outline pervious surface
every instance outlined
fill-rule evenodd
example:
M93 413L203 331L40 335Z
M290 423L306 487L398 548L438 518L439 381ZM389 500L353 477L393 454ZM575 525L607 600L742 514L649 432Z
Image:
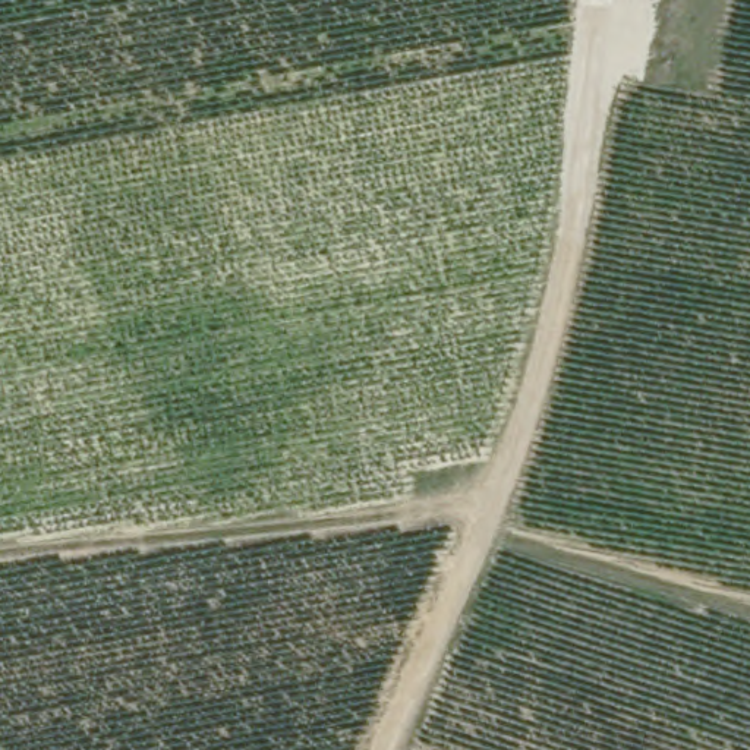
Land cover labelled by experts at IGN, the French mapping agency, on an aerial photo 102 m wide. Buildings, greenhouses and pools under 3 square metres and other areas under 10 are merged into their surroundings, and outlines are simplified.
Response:
M448 498L448 516L439 524L448 524L448 539L437 551L434 571L425 583L413 618L407 621L407 636L396 650L393 665L381 683L378 709L369 727L363 729L357 750L398 750L425 697L428 680L445 653L454 627L460 624L460 612L475 589L475 580L483 571L486 557L492 551L492 542L498 536L498 521L504 519L507 504L513 498L521 498L524 469L533 457L533 448L545 425L548 396L568 340L577 293L592 264L595 223L601 211L598 161L606 135L609 105L615 88L627 76L642 82L650 59L650 41L656 32L659 0L571 0L574 35L568 50L568 94L563 105L560 226L542 316L533 340L533 354L527 360L521 396L501 445L460 448L445 457L431 457L434 472L478 463L478 475L469 483L457 483L442 492Z

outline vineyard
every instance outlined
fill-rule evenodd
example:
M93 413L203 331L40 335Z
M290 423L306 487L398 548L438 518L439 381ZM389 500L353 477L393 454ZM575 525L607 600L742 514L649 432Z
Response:
M381 683L393 665L396 650L407 636L407 621L413 618L425 583L434 571L437 551L448 539L448 524L439 524L448 516L448 498L442 492L457 483L469 483L478 475L478 463L434 472L431 457L445 457L460 448L501 445L521 396L527 360L533 354L533 340L542 316L560 226L563 105L568 94L568 50L574 35L571 0L0 0L0 750L357 750L363 729L369 727L378 709Z
M498 521L498 536L539 542L571 557L618 565L636 574L647 574L665 583L677 583L694 592L706 592L750 606L750 0L735 0L729 29L724 35L724 79L712 97L688 97L680 91L653 88L642 82L627 76L615 88L609 105L606 135L598 161L601 211L595 223L592 264L577 293L568 340L548 396L545 425L533 448L533 457L524 469L521 498L513 498L507 504L504 519Z
M475 589L460 612L460 624L454 627L445 653L428 680L425 697L398 750L750 750L750 621L706 606L686 609L683 604L659 595L656 589L621 589L612 583L580 577L565 568L545 565L516 551L492 551L486 557L483 571L475 580Z

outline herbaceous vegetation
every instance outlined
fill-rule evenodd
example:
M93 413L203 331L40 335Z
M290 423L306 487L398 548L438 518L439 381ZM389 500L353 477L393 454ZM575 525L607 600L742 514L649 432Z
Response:
M650 41L650 59L642 82L653 88L680 91L688 97L712 97L724 79L724 35L729 29L735 0L659 0L656 32Z
M659 595L683 604L686 609L706 606L750 621L750 606L706 592L694 592L677 583L665 583L647 574L636 574L618 565L571 557L539 542L498 536L492 542L492 551L516 551L545 565L565 568L580 577L612 583L621 589L656 589Z

